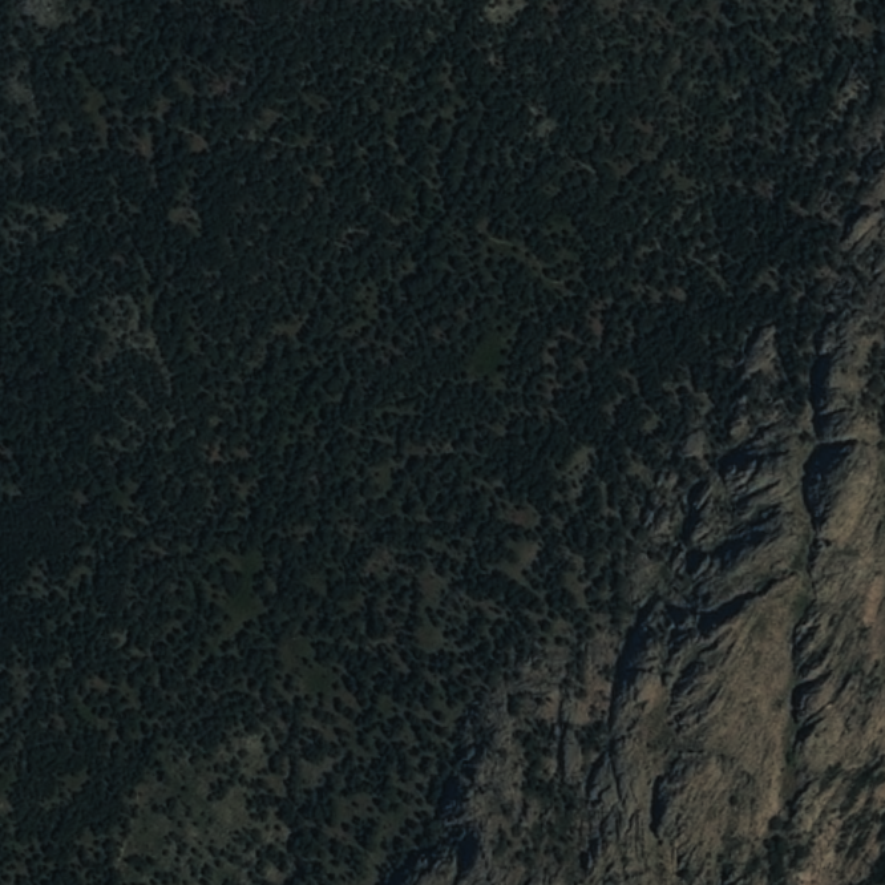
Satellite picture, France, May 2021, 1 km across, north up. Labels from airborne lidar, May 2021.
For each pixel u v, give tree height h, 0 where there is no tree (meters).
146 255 17
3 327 24
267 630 16
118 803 21
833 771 9
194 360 19
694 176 13
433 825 22
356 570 16
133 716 16
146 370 13
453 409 17
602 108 19
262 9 20
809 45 11
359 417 25
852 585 0
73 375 22
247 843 17
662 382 15
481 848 0
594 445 13
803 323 15
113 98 11
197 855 18
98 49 22
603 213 22
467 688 14
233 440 28
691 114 8
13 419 26
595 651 0
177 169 22
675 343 21
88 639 12
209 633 15
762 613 0
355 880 20
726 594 0
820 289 13
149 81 11
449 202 15
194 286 21
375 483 16
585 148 20
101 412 18
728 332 14
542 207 23
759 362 0
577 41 13
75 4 14
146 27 12
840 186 13
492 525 17
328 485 23
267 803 19
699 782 0
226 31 20
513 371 15
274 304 19
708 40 21
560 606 16
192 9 14
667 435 21
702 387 15
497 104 19
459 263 25
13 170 10
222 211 21
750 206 21
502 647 14
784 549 0
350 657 21
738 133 14
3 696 15
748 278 18
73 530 19
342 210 16
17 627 16
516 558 13
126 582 20
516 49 16
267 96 18
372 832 24
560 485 16
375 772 17
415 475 20
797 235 20
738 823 0
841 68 15
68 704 17
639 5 22
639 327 19
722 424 9
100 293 12
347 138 18
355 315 10
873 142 8
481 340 15
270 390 27
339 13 17
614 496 16
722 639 0
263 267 22
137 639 18
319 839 25
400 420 16
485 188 19
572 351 20
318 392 10
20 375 24
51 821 16
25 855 10
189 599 26
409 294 24
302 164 21
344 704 19
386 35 19
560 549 11
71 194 15
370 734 16
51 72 16
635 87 17
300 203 22
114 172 17
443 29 16
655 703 0
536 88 11
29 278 16
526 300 12
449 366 19
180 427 12
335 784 19
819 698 0
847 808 7
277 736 11
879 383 16
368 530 19
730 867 11
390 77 12
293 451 13
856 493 0
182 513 19
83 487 19
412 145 26
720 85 12
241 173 16
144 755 14
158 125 24
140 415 9
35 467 22
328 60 20
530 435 23
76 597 11
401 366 21
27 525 21
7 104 15
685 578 12
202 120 20
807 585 0
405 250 12
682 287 15
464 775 8
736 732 0
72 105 18
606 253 14
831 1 15
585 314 13
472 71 19
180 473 11
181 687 25
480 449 13
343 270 16
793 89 17
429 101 21
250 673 23
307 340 26
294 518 20
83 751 21
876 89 18
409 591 18
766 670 0
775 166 19
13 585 14
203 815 8
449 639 11
